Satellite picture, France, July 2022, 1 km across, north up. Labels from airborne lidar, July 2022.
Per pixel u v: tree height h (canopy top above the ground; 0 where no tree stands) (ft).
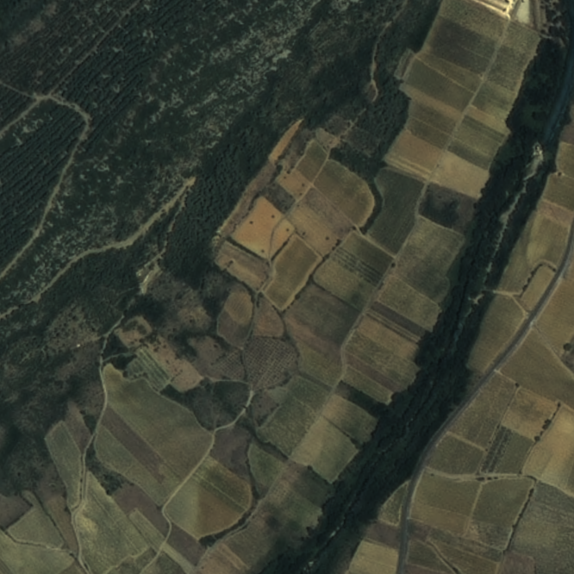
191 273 21
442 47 0
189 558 0
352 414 0
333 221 0
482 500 0
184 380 0
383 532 0
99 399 0
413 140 0
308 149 0
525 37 0
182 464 0
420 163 0
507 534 0
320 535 27
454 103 0
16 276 0
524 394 0
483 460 0
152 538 0
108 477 31
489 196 57
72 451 0
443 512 0
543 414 0
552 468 0
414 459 19
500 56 0
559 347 0
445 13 0
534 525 0
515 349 0
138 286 19
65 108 35
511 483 0
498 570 0
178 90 0
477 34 0
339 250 0
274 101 44
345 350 0
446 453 0
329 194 0
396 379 0
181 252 31
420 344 20
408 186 0
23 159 38
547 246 0
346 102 18
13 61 20
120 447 0
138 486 0
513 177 63
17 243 31
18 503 0
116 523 0
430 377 44
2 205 23
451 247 0
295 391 0
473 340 34
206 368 0
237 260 0
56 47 17
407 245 0
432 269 0
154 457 0
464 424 0
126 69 29
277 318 0
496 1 0
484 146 0
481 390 0
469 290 46
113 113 26
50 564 0
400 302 0
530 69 21
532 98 36
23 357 33
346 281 0
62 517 0
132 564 0
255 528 0
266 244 0
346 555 0
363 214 0
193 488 0
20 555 0
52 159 29
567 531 0
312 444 0
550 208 0
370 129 29
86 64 28
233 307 0
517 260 0
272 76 22
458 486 0
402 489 0
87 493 0
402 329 0
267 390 0
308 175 0
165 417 0
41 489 0
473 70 0
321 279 0
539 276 0
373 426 0
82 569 0
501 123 0
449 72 0
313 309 0
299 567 46
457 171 0
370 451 28
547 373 0
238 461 0
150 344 0
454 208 29
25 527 0
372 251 0
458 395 24
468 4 0
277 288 0
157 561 0
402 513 0
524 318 0
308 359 0
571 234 0
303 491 0
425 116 0
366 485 43
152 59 28
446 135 0
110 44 29
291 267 0
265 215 0
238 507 0
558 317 0
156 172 42
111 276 45
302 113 23
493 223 48
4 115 26
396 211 0
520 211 58
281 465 0
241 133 37
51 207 0
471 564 0
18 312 39
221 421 0
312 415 0
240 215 0
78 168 0
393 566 0
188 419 0
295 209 0
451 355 33
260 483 0
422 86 0
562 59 57
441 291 0
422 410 34
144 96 0
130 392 0
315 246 0
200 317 0
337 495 24
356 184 0
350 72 21
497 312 0
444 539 0
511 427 0
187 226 38
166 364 0
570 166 0
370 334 0
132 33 30
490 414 0
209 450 0
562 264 0
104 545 0
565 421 0
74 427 0
